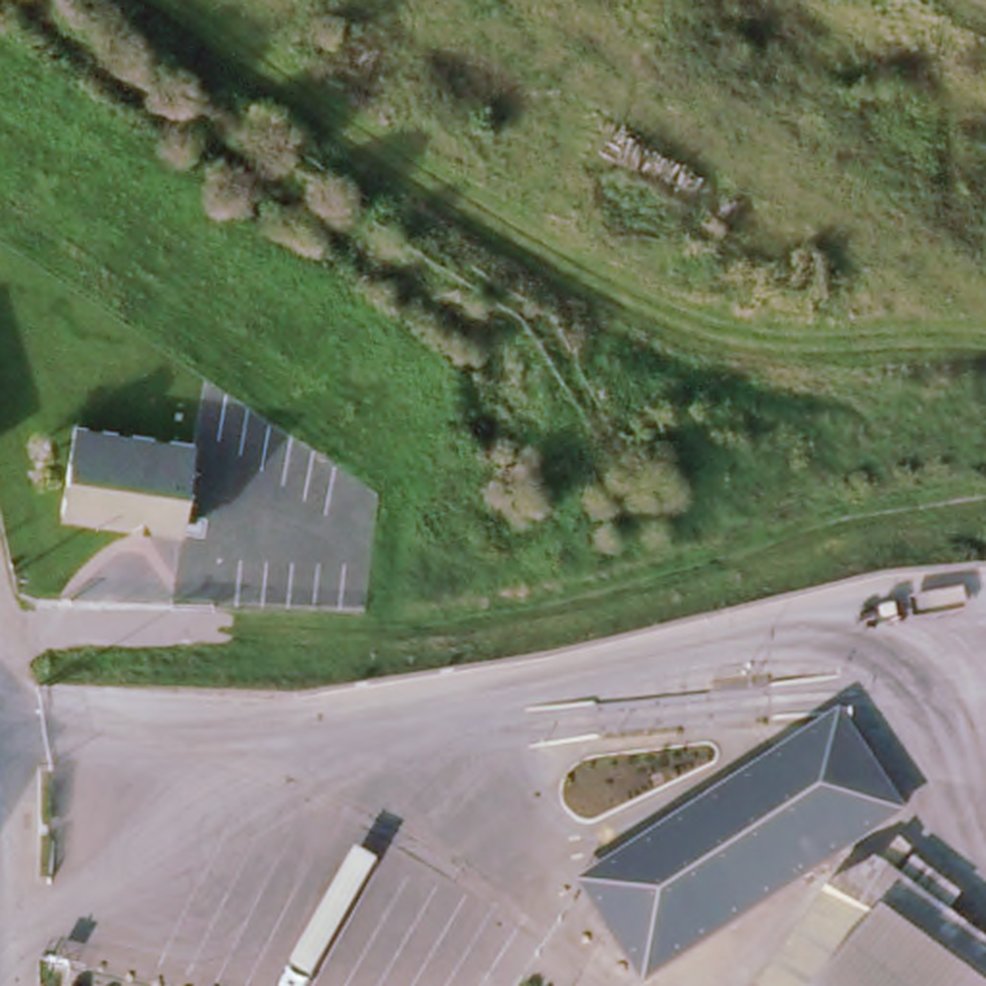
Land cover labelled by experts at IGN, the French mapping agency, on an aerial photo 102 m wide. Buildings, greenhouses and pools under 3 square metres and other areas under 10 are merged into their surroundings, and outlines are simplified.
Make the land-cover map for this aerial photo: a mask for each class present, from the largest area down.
<instances>
[{"label":"herbaceous vegetation","instance_id":"1","mask_svg":"<svg viewBox=\"0 0 986 986\"><path fill-rule=\"evenodd\" d=\"M127 23L146 42L150 62L166 65L169 73H189L204 96L223 112H247L250 104H270L285 112V119L300 131L297 162L316 173L354 185L358 204L389 200L397 208V231L408 243L431 239L435 231H458L478 250L501 258L505 266H516L532 285V297L539 304H555L570 331L601 335V327L609 324L612 331H624L636 343L666 358H678L693 370H736L751 385L820 397V416L805 420L801 428H778L766 435L713 431L705 470L686 481V508L674 512L670 528H643L636 535L593 532V516L585 512L582 489H570L562 501H547L543 520H532L528 528H512L501 512H493L485 505V485L493 481V458L485 451L470 439L466 424L458 420L462 366L435 354L420 339L401 343L397 312L377 316L358 297L366 281L354 273V266H324L320 258H300L281 243H270L262 231L258 220L247 216L212 220L204 212V189L212 162L196 154L185 169L162 162L158 127L166 116H158L154 123H143L131 108L104 96L92 81L77 77L65 58H50L42 46L35 54H19L0 39V524L15 566V589L35 597H58L73 570L89 562L100 547H108L104 535L92 528L62 524L65 478H73V431L89 428L150 435L162 443H189L196 435V401L208 389H216L235 404L273 416L297 447L324 454L335 470L358 481L374 497L366 605L354 612L235 605L227 643L46 651L31 662L42 686L320 689L558 651L897 566L951 562V570L974 574H982L986 566V277H978V270L967 266L971 254H959V262H928L924 254L886 250L882 231L890 223L867 208L863 196L832 189L824 173L813 181L809 173H801L797 158H774L766 131L759 123L743 116H724L701 92L678 85L666 73V65L639 50L659 31L639 19V8L647 0H112ZM335 19L374 23L393 42L389 62L381 65L377 96L370 89H358V81L350 77L343 89H324L320 77H308V69L335 54L316 46V39ZM435 50L454 54L466 65L489 69L493 77H505L520 92V119L508 127H493V143H478L470 131H420L408 104L401 100V77L416 62H431ZM612 116H628L647 131H670L682 146L697 150L716 169L720 196L736 200V208L724 220V239L716 247V258L728 266H778L790 262L793 250H820L828 262V297L813 308L809 327L778 320H736L732 304H747L751 289H736L732 297H716L666 285L655 273L662 258L651 254L647 243H628L609 227L597 231L585 220H578V177L585 173V162L574 158V143L585 135V123L593 119L609 123ZM809 15L847 31L870 54H928L947 92L971 104H986V0H813ZM713 747H666L651 755H609L578 763L566 774L570 809H578L582 817L605 813L651 790L659 774H682L705 763Z\"/></svg>","mask_w":986,"mask_h":986},{"label":"impervious surface","instance_id":"2","mask_svg":"<svg viewBox=\"0 0 986 986\"><path fill-rule=\"evenodd\" d=\"M189 443L196 447V485L185 539L143 532L127 551L108 547H100L89 562L73 570L58 597H35L15 589V566L0 524V986H820V967L828 963L836 940L855 921V913L890 894L897 855L913 863V870L928 874V882H936L944 894H955V909L978 928H986V566L982 574H974L951 570V562L897 566L558 651L320 689L42 686L31 662L46 651L227 643L235 605L354 612L366 605L374 497L358 481L335 470L324 454L297 447L273 416L235 404L216 389H208L196 401V435ZM847 686L867 689L890 732L917 763L921 786L905 801H897L882 817L886 828L859 840L855 851L836 847L824 863L786 882L782 890H774L770 897H763L759 905H751L747 913H740L736 921H728L724 928H716L655 974L624 967L616 936L609 932V924L585 894L597 847L616 840L620 832H628L689 786L705 782L755 743L778 736L786 724L809 716V709H817ZM666 747H713L705 763L682 774H659L651 790L605 813L582 817L578 809H570L566 774L578 763L609 755H651Z\"/></svg>","mask_w":986,"mask_h":986},{"label":"brushwood","instance_id":"3","mask_svg":"<svg viewBox=\"0 0 986 986\"><path fill-rule=\"evenodd\" d=\"M127 23L112 0H0V39L19 54H35L42 46L50 58H65L77 77L92 81L104 96L131 108L143 123H154L158 116L169 85L181 73H169L166 65L150 62V73L139 85H127L96 62L104 31H119ZM813 0H647L639 8V19L659 31L639 50L666 65V73L678 85L701 92L724 116H743L759 123L766 131L774 158H797L801 173H809L813 181L824 173L832 189L863 196L867 208L890 223L882 231L886 250L924 254L928 262H959V254H971L967 266L978 270V277H986V104H971L947 92L928 54H870L847 31L809 15ZM316 46L335 54L308 69V77H320L324 89H343L350 77L358 81V89H370L377 96L381 65L389 62L393 42L374 23L335 19L316 39ZM401 100L408 104L420 131H470L478 143H493V127H508L520 119V92L505 77H493L489 69L466 65L454 54L435 50L431 62H416L401 77ZM247 112H223L204 96L196 104V116L189 119L196 154L212 162L204 189L216 181L220 166L239 169L243 185L250 189L247 216L258 220L262 231L289 223L285 208H297L304 200V189L316 173L297 162L285 177H270L250 154L223 143ZM574 158L585 162V173L578 177V220H585L597 231L609 227L628 243H647L651 254L662 258L655 273L666 285L716 297H732L736 289L728 281V266L716 258V247L724 239V220L736 208V200L720 196L716 169L697 150L682 146L670 131H647L628 116H612L609 123L593 119L585 123V135L574 143ZM327 250L320 258L324 266H354V273L366 281L358 297L377 316L397 312L401 343L420 339L435 354L462 366L458 420L466 424L470 439L485 451L497 443L512 451L532 447L539 454L535 478L547 501H562L570 489H582L605 481V470L620 454H632L636 443H647L651 435L666 439L674 470L686 481L705 470L713 431L766 435L778 428H801L805 420L820 416V397L751 385L736 370H693L678 358H666L636 343L624 331H612L609 324L601 327V335L570 331L555 304H539L532 297V285L516 266H505L501 258L478 250L458 231H435L431 239L408 243L397 231V208L389 200L358 204L347 216V223L324 243ZM736 320H778L809 327L813 308L797 293H782L774 285L751 289L747 304H732ZM674 512L593 516V532L636 535L643 528H670Z\"/></svg>","mask_w":986,"mask_h":986},{"label":"building","instance_id":"4","mask_svg":"<svg viewBox=\"0 0 986 986\"><path fill-rule=\"evenodd\" d=\"M196 485V447L189 443H162L150 435L89 428L73 431V478H65L62 524L92 528L104 535L108 547L127 551L143 532L185 539ZM921 786L917 763L890 732L867 689L847 686L817 709H809V716L786 724L778 736L755 743L705 782L689 786L628 832H620L616 840L597 847L585 894L609 924V932L616 936L624 967L655 974L716 928H724L728 921H736L740 913H747L751 905H759L763 897H770L774 890H782L786 882L824 863L836 847L855 851L859 840L886 828L882 817L897 801H905ZM890 894L855 913V921L836 940L828 963L820 967V986H986V928H978L955 909V894H944L936 882H928V874L913 870V863L897 855Z\"/></svg>","mask_w":986,"mask_h":986},{"label":"deciduous trees","instance_id":"5","mask_svg":"<svg viewBox=\"0 0 986 986\"><path fill-rule=\"evenodd\" d=\"M96 62L127 85H139L150 73V62L146 42L127 23L119 31H104ZM204 96L189 73H181L169 85L158 116H166L158 127L162 162L185 169L196 154L189 119L196 116V104ZM223 143L250 154L270 177H285L297 162L300 131L285 119V112L270 104H250L247 112ZM250 189L243 185L239 169L220 166L216 181L204 189V212L212 220L247 216ZM358 204L354 185L316 173L304 189V200L297 208H285L289 223L262 231L270 243H281L300 258H320L327 250L324 243L347 223V216ZM728 281L736 289H751L774 285L782 293H797L813 308L828 297V262L820 250H793L790 262L778 266H728ZM686 481L674 470L666 439L651 435L647 443H636L632 454H620L605 470V481L582 489L585 512L593 516L674 512L686 508ZM493 458V481L485 485V505L493 512H501L512 528H528L532 520H543L547 501L535 478L539 454L532 447L512 451L497 443L485 451Z\"/></svg>","mask_w":986,"mask_h":986}]
</instances>
